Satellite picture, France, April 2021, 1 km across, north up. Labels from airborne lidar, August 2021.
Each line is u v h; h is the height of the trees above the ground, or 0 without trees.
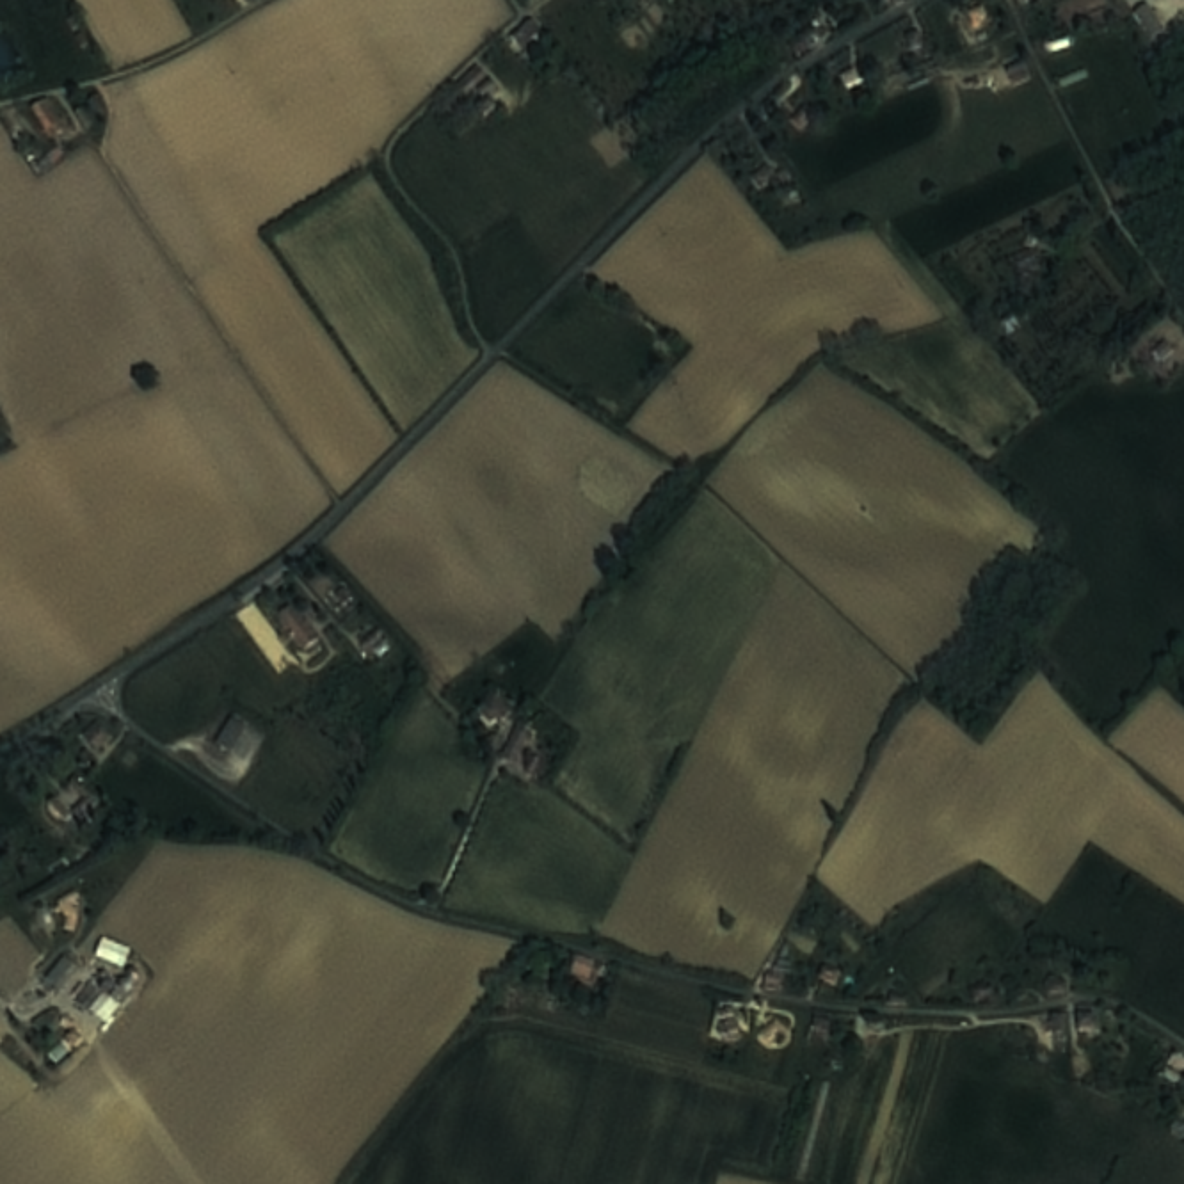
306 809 0
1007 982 6
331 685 6
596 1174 0
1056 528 14
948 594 0
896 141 0
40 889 7
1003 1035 0
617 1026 0
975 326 17
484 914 0
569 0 0
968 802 0
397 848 0
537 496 0
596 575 0
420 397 0
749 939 0
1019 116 0
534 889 0
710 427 0
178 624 0
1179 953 0
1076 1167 0
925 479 0
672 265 0
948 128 0
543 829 0
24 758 24
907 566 0
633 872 0
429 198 0
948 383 0
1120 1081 8
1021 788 0
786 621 0
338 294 0
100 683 0
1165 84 15
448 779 0
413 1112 0
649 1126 0
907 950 0
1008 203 0
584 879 0
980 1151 0
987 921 0
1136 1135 0
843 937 0
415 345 0
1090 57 0
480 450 0
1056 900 0
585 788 0
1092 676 0
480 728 10
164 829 12
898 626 0
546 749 6
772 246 0
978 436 0
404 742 0
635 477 0
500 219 0
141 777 0
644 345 0
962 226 0
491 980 14
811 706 0
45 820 0
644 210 0
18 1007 0
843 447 0
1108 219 7
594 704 0
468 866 0
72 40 0
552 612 0
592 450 0
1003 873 0
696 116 14
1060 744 0
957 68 0
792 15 5
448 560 0
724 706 0
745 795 0
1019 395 0
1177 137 21
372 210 0
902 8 0
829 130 20
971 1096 0
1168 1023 0
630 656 0
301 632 0
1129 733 0
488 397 0
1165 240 17
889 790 0
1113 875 0
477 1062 0
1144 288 9
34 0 0
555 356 0
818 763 0
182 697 0
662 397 0
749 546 0
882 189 0
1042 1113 0
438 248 9
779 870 0
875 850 0
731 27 19
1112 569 0
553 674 0
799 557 0
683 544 0
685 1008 0
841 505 0
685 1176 0
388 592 0
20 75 11
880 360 0
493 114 10
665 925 0
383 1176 0
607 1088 0
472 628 0
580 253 0
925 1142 0
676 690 0
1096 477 0
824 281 0
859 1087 0
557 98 0
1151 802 0
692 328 0
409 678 13
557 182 0
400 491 0
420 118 0
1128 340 11
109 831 5
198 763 0
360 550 0
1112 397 0
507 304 0
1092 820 0
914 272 0
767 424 0
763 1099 0
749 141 7
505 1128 0
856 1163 0
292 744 0
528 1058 0
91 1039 0
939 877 0
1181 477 0
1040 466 0
